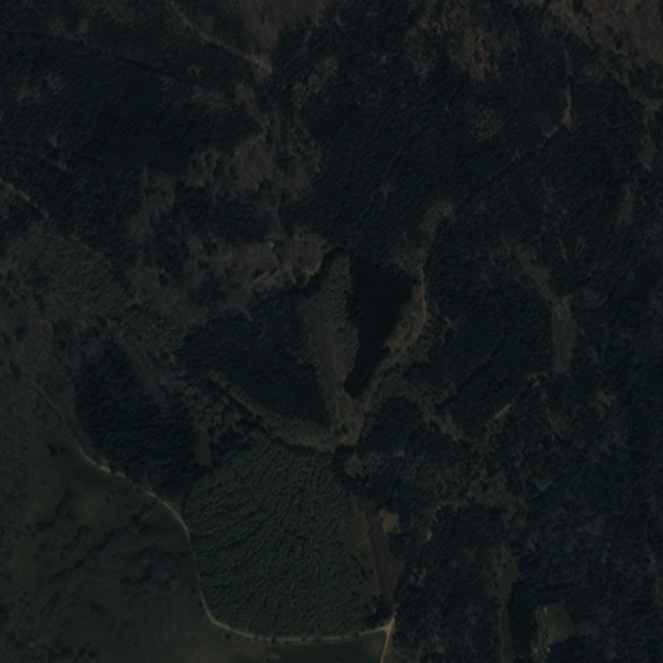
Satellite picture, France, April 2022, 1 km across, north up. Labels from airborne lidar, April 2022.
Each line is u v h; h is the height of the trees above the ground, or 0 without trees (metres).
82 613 0
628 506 28
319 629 21
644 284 32
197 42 19
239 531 17
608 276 27
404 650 8
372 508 11
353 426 9
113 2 20
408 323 7
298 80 27
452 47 24
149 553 12
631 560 22
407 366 8
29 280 22
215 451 18
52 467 0
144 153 21
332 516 20
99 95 24
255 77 20
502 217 24
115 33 24
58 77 24
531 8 20
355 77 28
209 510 22
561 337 24
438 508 22
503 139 25
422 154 26
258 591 16
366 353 19
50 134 20
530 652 22
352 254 14
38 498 0
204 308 14
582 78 28
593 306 21
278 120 17
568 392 31
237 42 18
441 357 22
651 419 31
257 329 24
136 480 16
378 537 12
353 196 26
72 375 25
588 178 25
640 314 43
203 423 24
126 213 20
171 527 0
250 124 22
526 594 28
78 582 11
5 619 22
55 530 18
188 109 21
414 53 24
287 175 23
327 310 23
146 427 26
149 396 26
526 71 15
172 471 24
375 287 21
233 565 18
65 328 19
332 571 23
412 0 24
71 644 0
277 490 20
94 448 13
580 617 26
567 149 24
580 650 22
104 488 0
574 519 32
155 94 21
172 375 19
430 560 17
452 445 34
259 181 14
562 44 17
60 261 18
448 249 31
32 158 22
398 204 30
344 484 20
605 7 18
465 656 26
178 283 15
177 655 0
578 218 24
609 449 19
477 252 30
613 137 28
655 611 27
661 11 23
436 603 31
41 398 15
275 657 0
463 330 25
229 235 17
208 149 14
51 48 25
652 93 19
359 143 28
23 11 22
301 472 21
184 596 0
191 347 24
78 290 20
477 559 28
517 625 26
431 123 21
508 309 23
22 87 22
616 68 20
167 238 19
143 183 13
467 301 24
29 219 27
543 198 25
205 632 0
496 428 34
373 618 17
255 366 22
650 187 33
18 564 0
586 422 29
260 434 21
